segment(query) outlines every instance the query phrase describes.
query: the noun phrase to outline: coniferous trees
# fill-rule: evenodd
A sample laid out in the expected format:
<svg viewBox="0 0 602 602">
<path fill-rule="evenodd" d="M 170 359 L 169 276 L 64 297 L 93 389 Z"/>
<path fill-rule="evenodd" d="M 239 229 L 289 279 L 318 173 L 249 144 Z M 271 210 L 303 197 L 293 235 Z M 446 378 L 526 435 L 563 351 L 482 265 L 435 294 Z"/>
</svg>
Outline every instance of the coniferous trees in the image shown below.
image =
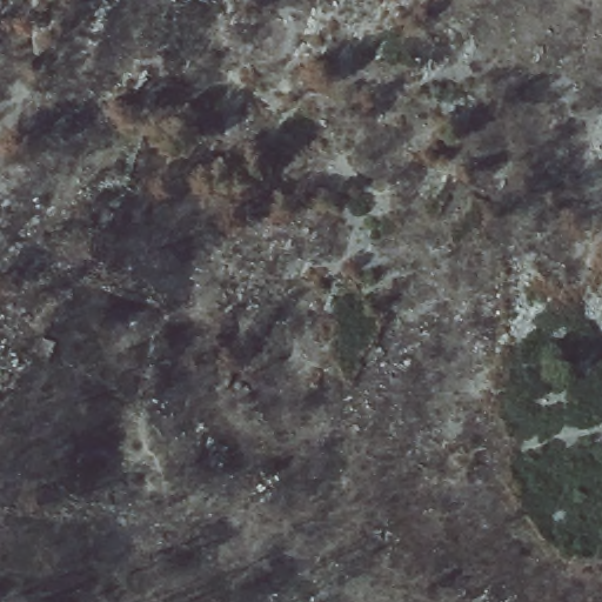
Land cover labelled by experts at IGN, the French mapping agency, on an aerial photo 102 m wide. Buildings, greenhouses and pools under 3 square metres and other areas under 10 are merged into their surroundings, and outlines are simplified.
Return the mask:
<svg viewBox="0 0 602 602">
<path fill-rule="evenodd" d="M 228 148 L 223 143 L 223 132 L 195 136 L 190 127 L 181 125 L 176 118 L 162 120 L 153 113 L 148 122 L 143 122 L 146 139 L 141 143 L 141 148 L 155 148 L 151 162 L 153 176 L 148 183 L 151 195 L 188 195 L 193 190 L 193 195 L 200 195 L 200 209 L 226 212 L 228 216 L 233 216 L 235 207 L 240 207 L 242 200 L 240 193 L 254 186 L 256 176 L 261 174 L 256 167 L 254 136 L 240 136 L 233 143 L 233 148 Z"/>
</svg>

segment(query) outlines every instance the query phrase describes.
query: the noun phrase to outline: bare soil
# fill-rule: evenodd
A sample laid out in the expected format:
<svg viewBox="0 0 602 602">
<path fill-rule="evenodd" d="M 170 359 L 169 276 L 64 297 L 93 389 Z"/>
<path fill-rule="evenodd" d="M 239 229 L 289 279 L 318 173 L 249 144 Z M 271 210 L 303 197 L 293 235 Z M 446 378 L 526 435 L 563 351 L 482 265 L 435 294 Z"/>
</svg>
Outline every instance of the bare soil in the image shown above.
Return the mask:
<svg viewBox="0 0 602 602">
<path fill-rule="evenodd" d="M 407 35 L 407 66 L 386 63 L 383 52 L 379 52 L 379 40 L 374 35 L 386 33 L 393 26 L 402 31 L 402 35 Z M 452 113 L 452 127 L 456 134 L 452 146 L 433 141 L 437 127 L 435 120 L 428 120 L 428 111 L 421 103 L 423 94 L 419 89 L 430 80 L 459 80 L 459 85 L 468 94 L 442 103 L 442 111 Z M 188 195 L 151 195 L 148 183 L 153 176 L 151 162 L 155 148 L 141 148 L 141 143 L 146 139 L 143 122 L 148 122 L 153 113 L 162 120 L 176 118 L 181 125 L 190 127 L 195 136 L 223 132 L 223 143 L 228 148 L 233 148 L 233 143 L 240 136 L 254 136 L 256 167 L 261 174 L 256 176 L 254 186 L 240 193 L 242 200 L 240 207 L 235 207 L 233 216 L 228 216 L 226 212 L 200 209 L 200 195 L 193 195 L 193 190 Z M 447 181 L 454 186 L 452 209 L 447 216 L 433 219 L 426 209 L 426 202 L 428 198 L 440 195 Z M 357 216 L 350 209 L 346 209 L 346 202 L 350 190 L 364 188 L 369 188 L 369 193 L 374 195 L 374 207 L 372 212 Z M 454 240 L 452 228 L 470 212 L 473 200 L 484 202 L 489 212 L 482 214 L 480 228 L 470 230 L 466 240 Z M 395 233 L 372 242 L 372 230 L 367 228 L 367 223 L 374 216 L 386 216 L 388 212 L 397 219 Z M 332 308 L 334 299 L 339 296 L 339 287 L 332 285 L 329 275 L 339 273 L 346 263 L 355 270 L 357 277 L 362 277 L 364 270 L 372 268 L 372 277 L 376 282 L 364 285 L 362 294 L 388 292 L 393 287 L 393 280 L 397 277 L 404 277 L 409 285 L 409 289 L 402 294 L 402 301 L 393 306 L 395 320 L 386 334 L 388 346 L 372 348 L 369 360 L 360 357 L 357 374 L 353 379 L 346 376 L 346 372 L 332 353 L 332 346 L 336 341 L 336 315 L 332 313 Z M 541 442 L 539 437 L 510 437 L 499 414 L 496 386 L 489 376 L 501 367 L 503 346 L 524 339 L 534 329 L 534 317 L 543 313 L 553 301 L 583 301 L 586 315 L 595 320 L 602 329 L 602 0 L 0 0 L 0 602 L 602 602 L 602 560 L 569 557 L 546 541 L 536 522 L 531 517 L 524 517 L 520 510 L 520 489 L 510 475 L 510 463 L 513 449 L 529 452 L 543 444 L 553 444 L 555 440 L 574 444 L 578 437 L 602 435 L 602 423 L 590 428 L 562 428 L 557 435 L 543 437 Z"/>
</svg>

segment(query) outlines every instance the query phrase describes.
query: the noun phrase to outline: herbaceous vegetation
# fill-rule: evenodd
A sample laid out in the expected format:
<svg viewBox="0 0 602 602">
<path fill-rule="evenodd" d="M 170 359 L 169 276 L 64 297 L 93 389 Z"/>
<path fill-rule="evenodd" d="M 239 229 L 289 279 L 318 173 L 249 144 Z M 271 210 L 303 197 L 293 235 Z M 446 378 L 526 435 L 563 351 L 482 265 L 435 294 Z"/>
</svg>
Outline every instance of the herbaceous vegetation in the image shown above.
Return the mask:
<svg viewBox="0 0 602 602">
<path fill-rule="evenodd" d="M 447 181 L 440 195 L 428 198 L 426 202 L 426 209 L 433 219 L 447 216 L 452 209 L 454 186 Z"/>
<path fill-rule="evenodd" d="M 524 517 L 531 517 L 536 522 L 546 541 L 569 557 L 602 560 L 602 435 L 578 437 L 574 444 L 555 440 L 553 444 L 543 444 L 529 452 L 513 449 L 510 463 L 510 475 L 520 489 L 520 510 Z"/>
<path fill-rule="evenodd" d="M 402 35 L 402 31 L 393 26 L 386 33 L 374 35 L 379 40 L 379 52 L 383 52 L 386 63 L 407 66 L 407 35 Z"/>
<path fill-rule="evenodd" d="M 372 242 L 395 233 L 397 219 L 388 212 L 386 216 L 374 216 L 367 223 L 367 228 L 372 230 Z"/>
<path fill-rule="evenodd" d="M 372 212 L 374 207 L 374 195 L 369 193 L 369 188 L 364 188 L 350 190 L 346 202 L 346 209 L 350 209 L 357 216 Z"/>
<path fill-rule="evenodd" d="M 372 277 L 372 268 L 364 270 L 362 277 L 357 277 L 355 270 L 346 263 L 339 273 L 329 275 L 332 285 L 339 287 L 339 296 L 334 299 L 332 308 L 332 313 L 336 315 L 336 341 L 332 346 L 332 353 L 346 372 L 346 376 L 353 379 L 357 374 L 360 357 L 369 360 L 372 348 L 388 346 L 386 334 L 395 320 L 393 306 L 402 301 L 402 294 L 409 289 L 409 285 L 404 277 L 397 277 L 393 280 L 393 287 L 388 292 L 362 294 L 364 285 L 376 282 Z"/>
<path fill-rule="evenodd" d="M 489 212 L 484 202 L 473 200 L 470 212 L 452 228 L 454 240 L 466 240 L 470 230 L 480 228 L 482 214 Z"/>
<path fill-rule="evenodd" d="M 452 127 L 452 113 L 442 111 L 442 103 L 468 94 L 459 85 L 459 80 L 430 80 L 419 89 L 423 94 L 421 103 L 428 111 L 428 120 L 435 120 L 437 127 L 433 141 L 452 146 L 456 134 Z"/>
<path fill-rule="evenodd" d="M 501 367 L 489 376 L 496 386 L 499 414 L 510 437 L 539 437 L 541 442 L 543 437 L 557 435 L 562 428 L 590 428 L 602 423 L 602 329 L 595 320 L 586 315 L 583 301 L 553 301 L 543 313 L 534 317 L 534 329 L 524 339 L 503 346 Z"/>
</svg>

